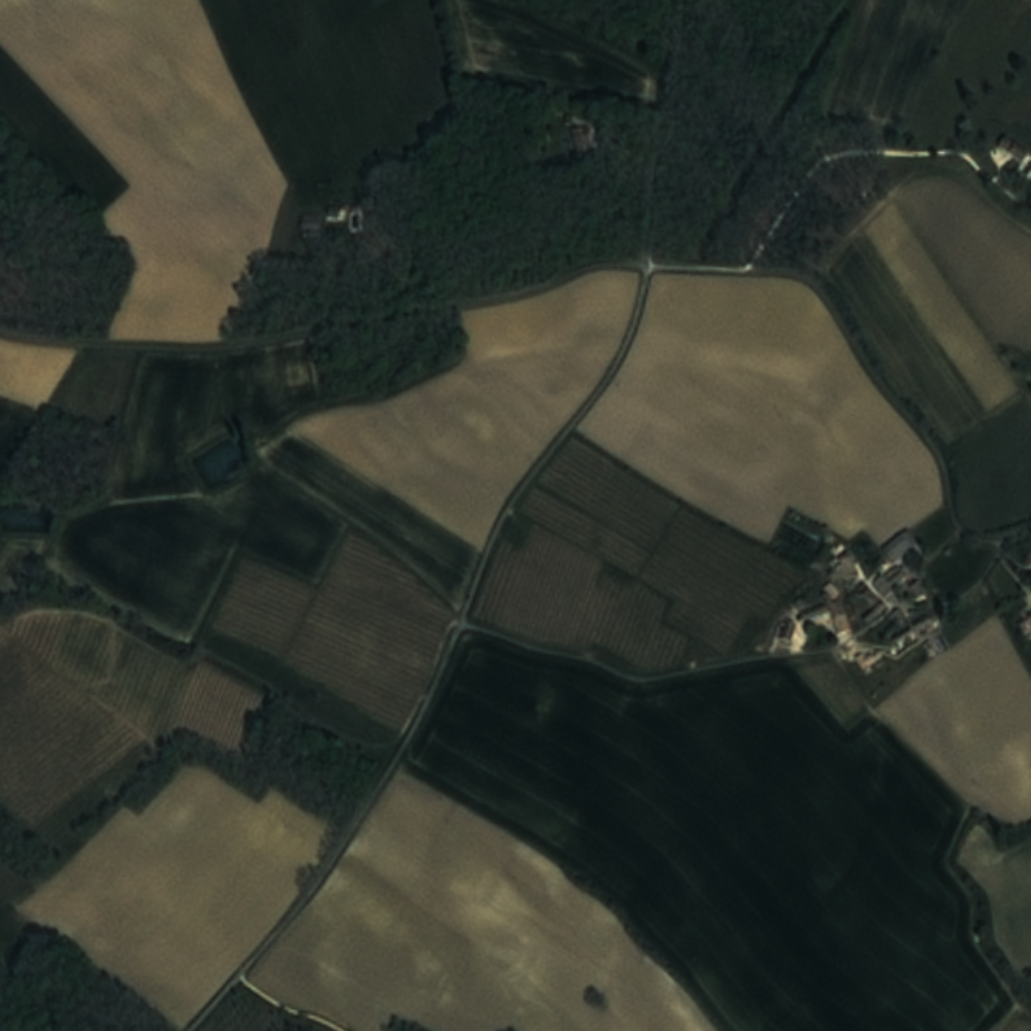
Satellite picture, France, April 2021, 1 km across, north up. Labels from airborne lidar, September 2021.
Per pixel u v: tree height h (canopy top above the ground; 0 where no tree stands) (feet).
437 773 0
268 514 0
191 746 53
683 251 57
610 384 0
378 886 0
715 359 0
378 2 26
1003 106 0
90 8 0
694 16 60
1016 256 0
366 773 37
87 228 72
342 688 0
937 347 0
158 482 0
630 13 83
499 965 0
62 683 0
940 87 0
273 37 0
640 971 0
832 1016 0
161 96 0
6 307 49
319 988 0
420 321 56
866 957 0
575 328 0
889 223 0
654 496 0
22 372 0
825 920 0
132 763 0
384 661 0
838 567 0
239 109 0
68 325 67
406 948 0
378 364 55
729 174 73
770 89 79
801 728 0
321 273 73
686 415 0
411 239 78
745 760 0
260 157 0
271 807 0
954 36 0
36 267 63
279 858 0
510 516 0
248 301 58
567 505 0
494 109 81
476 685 0
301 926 0
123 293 56
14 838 59
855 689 0
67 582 37
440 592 0
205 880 0
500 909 0
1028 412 0
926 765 0
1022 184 55
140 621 42
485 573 0
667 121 61
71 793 0
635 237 61
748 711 0
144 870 0
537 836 0
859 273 0
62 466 56
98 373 0
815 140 72
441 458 0
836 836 0
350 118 0
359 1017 0
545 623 0
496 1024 0
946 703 0
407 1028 26
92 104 0
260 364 0
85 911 0
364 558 0
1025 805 0
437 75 0
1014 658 0
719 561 0
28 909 0
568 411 0
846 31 68
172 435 0
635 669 0
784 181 75
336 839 54
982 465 0
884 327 0
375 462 0
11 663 0
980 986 0
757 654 0
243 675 0
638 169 73
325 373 50
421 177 81
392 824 0
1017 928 0
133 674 0
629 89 0
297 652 0
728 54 65
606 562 0
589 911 0
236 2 0
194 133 0
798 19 66
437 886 0
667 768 0
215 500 0
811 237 71
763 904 0
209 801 0
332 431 0
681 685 0
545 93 52
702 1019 0
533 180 65
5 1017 86
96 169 0
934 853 0
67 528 0
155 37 0
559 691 0
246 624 0
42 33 0
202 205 0
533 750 0
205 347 0
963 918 0
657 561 0
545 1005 0
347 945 0
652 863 0
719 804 0
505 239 73
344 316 77
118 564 0
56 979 90
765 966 0
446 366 71
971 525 0
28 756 0
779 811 0
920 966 0
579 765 0
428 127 0
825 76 69
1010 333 0
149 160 0
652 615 0
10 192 69
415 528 0
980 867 0
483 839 0
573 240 66
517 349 0
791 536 21
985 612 0
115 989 64
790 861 0
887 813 0
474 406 0
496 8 0
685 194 68
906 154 31
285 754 50
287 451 0
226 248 0
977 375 0
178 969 0
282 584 0
